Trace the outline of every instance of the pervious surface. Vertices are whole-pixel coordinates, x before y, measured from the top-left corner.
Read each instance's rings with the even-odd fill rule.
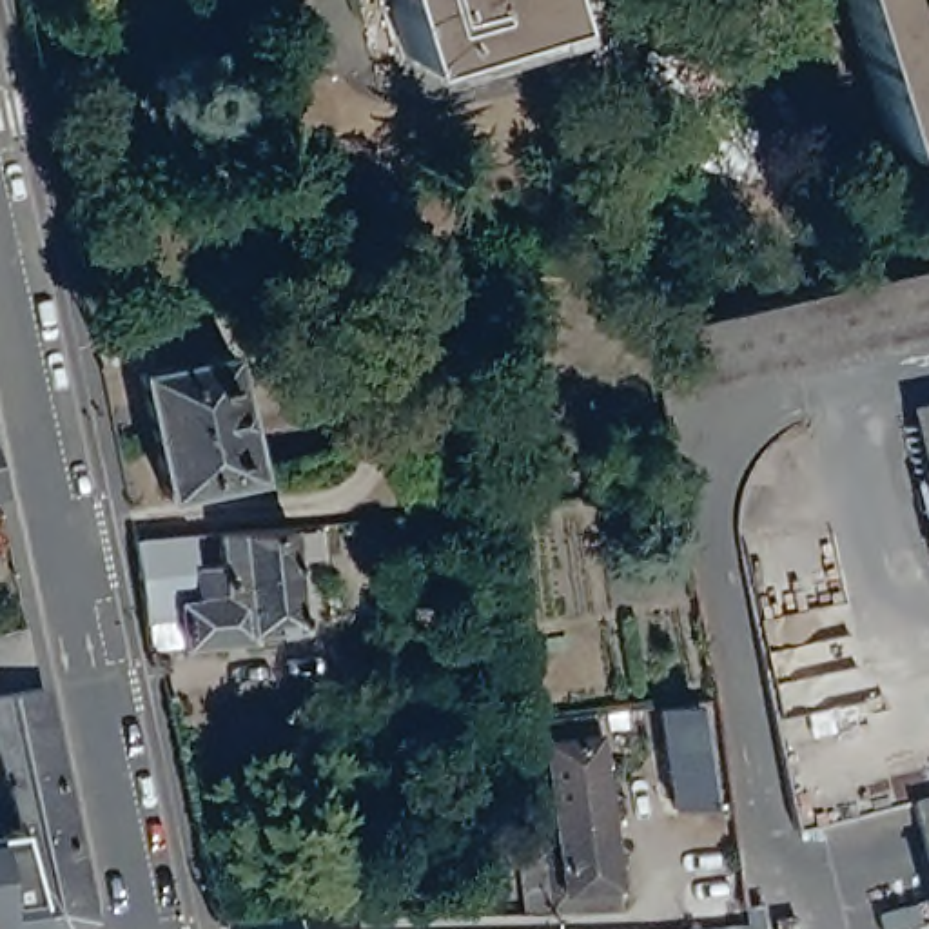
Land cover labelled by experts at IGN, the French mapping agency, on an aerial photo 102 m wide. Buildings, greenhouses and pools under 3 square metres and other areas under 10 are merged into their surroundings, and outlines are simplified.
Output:
[[[719,73],[700,73],[679,58],[664,62],[664,80],[671,91],[711,94],[726,83]]]
[[[820,465],[820,446],[827,439],[838,439],[842,432],[838,410],[817,410],[813,421],[795,417],[780,425],[769,439],[762,439],[748,457],[744,472],[737,475],[729,501],[729,541],[787,824],[798,831],[824,827],[827,835],[835,835],[838,820],[849,817],[849,806],[875,813],[896,802],[911,802],[929,802],[929,628],[904,628],[893,610],[875,606],[860,573],[860,559],[846,555],[849,515],[846,504],[827,504],[827,479]]]
[[[265,533],[276,541],[287,537],[283,530],[294,515],[330,515],[367,504],[374,486],[385,479],[374,465],[359,465],[345,483],[330,490],[283,497],[272,494],[210,504],[207,512],[200,512],[189,497],[171,497],[160,497],[156,504],[134,504],[134,523],[127,523],[123,533],[142,544],[163,537],[196,537],[200,562],[218,566],[225,559],[221,544],[232,533]]]
[[[762,174],[755,163],[758,138],[751,131],[740,134],[740,145],[719,142],[722,152],[708,156],[700,167],[715,174],[733,174],[737,181],[751,181]]]

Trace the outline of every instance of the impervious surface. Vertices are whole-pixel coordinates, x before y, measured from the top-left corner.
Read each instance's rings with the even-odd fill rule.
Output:
[[[327,22],[334,40],[327,73],[337,73],[356,94],[388,102],[388,73],[399,65],[396,54],[403,40],[385,0],[319,0],[316,15]]]
[[[602,737],[617,751],[628,737],[624,729],[650,715],[650,711],[610,711],[602,726]]]
[[[54,134],[73,112],[73,102],[83,94],[80,54],[65,51],[47,36],[33,36],[25,22],[15,18],[11,0],[0,0],[0,454],[11,486],[11,504],[0,504],[0,697],[40,689],[40,679],[54,689],[69,755],[69,784],[76,791],[83,849],[91,860],[98,896],[98,929],[229,929],[214,918],[207,914],[207,904],[196,885],[189,820],[181,809],[178,773],[171,762],[167,722],[160,711],[160,679],[171,679],[174,689],[189,693],[189,719],[181,726],[203,726],[203,697],[214,686],[229,679],[236,689],[247,693],[261,682],[276,682],[276,660],[250,657],[247,646],[203,650],[196,639],[185,639],[181,650],[171,653],[156,650],[142,573],[142,544],[123,533],[127,523],[134,523],[134,504],[131,475],[120,457],[116,435],[105,428],[98,414],[83,417],[80,410],[80,403],[91,403],[102,388],[94,370],[105,359],[91,348],[87,305],[94,298],[109,298],[105,269],[91,265],[87,240],[73,229],[69,207],[76,203],[76,178],[62,167],[62,149],[54,145]]]
[[[305,533],[305,562],[316,562],[316,588],[308,588],[308,606],[298,610],[298,621],[287,628],[290,642],[316,639],[323,628],[352,621],[363,592],[367,577],[348,555],[352,530],[323,526],[316,533]]]
[[[468,120],[490,112],[497,98],[515,98],[526,116],[559,105],[573,80],[610,76],[624,65],[624,51],[631,44],[613,33],[613,22],[599,25],[599,51],[559,58],[508,80],[457,91]]]
[[[697,588],[700,595],[704,631],[715,635],[715,697],[708,697],[700,708],[708,729],[715,733],[711,758],[719,762],[722,777],[719,809],[682,813],[668,802],[675,795],[668,755],[657,758],[657,751],[642,762],[639,780],[628,795],[621,835],[631,885],[621,893],[621,911],[523,914],[523,878],[515,878],[512,914],[439,914],[439,929],[733,929],[748,925],[748,914],[755,911],[758,896],[773,904],[773,929],[929,929],[929,820],[911,824],[911,802],[896,802],[875,813],[849,806],[849,817],[838,820],[835,835],[827,835],[824,827],[798,831],[787,824],[729,541],[729,501],[737,475],[744,472],[748,457],[762,439],[769,439],[780,425],[795,417],[813,421],[817,410],[838,410],[842,432],[838,439],[827,439],[820,446],[820,465],[827,479],[827,504],[846,504],[849,515],[846,555],[860,559],[860,573],[875,606],[893,610],[904,628],[929,628],[929,544],[911,508],[907,454],[914,454],[911,425],[918,421],[922,406],[929,406],[929,348],[922,341],[893,345],[878,352],[856,352],[842,363],[831,356],[831,348],[813,348],[802,370],[748,374],[729,385],[719,385],[715,392],[697,396],[693,403],[675,406],[668,417],[675,425],[679,454],[686,454],[697,468],[708,472],[708,486],[689,537],[704,548],[708,584]]]

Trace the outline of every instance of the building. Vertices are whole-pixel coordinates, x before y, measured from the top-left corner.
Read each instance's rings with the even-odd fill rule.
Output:
[[[860,0],[853,7],[853,22],[860,33],[860,47],[871,54],[867,73],[878,83],[878,94],[896,112],[896,123],[885,131],[904,127],[914,156],[929,156],[929,0]]]
[[[929,820],[929,802],[911,802],[911,824]]]
[[[399,65],[414,73],[425,91],[457,91],[508,80],[559,58],[599,51],[599,25],[599,0],[385,0],[403,40],[396,54]]]
[[[11,486],[0,454],[0,504],[11,504]]]
[[[345,327],[399,341],[410,312],[425,323],[439,312],[443,290],[435,276],[417,276],[406,261],[388,269],[374,301],[352,305],[345,312]]]
[[[729,385],[748,374],[802,370],[813,348],[831,348],[831,356],[842,363],[856,352],[878,352],[893,345],[922,341],[929,348],[929,276],[911,276],[882,287],[853,287],[846,294],[835,294],[715,323],[704,345],[722,367],[719,385]]]
[[[98,929],[98,896],[91,860],[83,849],[76,791],[69,784],[69,755],[54,689],[40,679],[40,689],[0,697],[0,777],[15,777],[15,806],[22,817],[22,831],[15,838],[0,838],[0,929]]]
[[[276,417],[279,403],[261,385],[261,356],[243,352],[232,359],[221,345],[218,352],[210,352],[203,367],[167,370],[149,381],[160,446],[171,475],[171,497],[189,497],[200,512],[207,512],[210,504],[272,494],[269,468],[276,465],[269,435],[283,432]]]
[[[733,929],[773,929],[773,904],[758,896],[755,911],[748,914],[748,925]]]
[[[621,835],[628,795],[617,784],[624,755],[617,751],[602,737],[602,726],[559,722],[559,758],[552,766],[552,784],[566,798],[562,842],[555,842],[548,864],[533,860],[530,878],[523,878],[523,914],[621,911],[621,893],[631,885]]]
[[[700,708],[664,711],[668,755],[675,795],[668,802],[682,813],[719,809],[722,777],[719,762],[711,758],[715,733],[708,729]]]
[[[171,653],[181,650],[185,639],[196,639],[203,650],[247,646],[250,657],[276,660],[279,646],[290,642],[287,628],[298,621],[298,610],[308,606],[308,588],[316,588],[316,562],[305,562],[305,533],[287,537],[276,541],[265,533],[232,533],[221,544],[225,559],[218,566],[200,562],[196,537],[163,537],[142,544],[142,573],[156,650]]]
[[[914,454],[907,454],[911,508],[929,544],[929,406],[922,406],[918,421],[911,425]]]

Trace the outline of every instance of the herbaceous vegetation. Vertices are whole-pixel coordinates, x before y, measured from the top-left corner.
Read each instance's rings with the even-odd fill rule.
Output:
[[[668,98],[671,91],[664,80],[664,62],[650,62],[650,44],[631,44],[624,51],[624,65],[610,76],[646,87],[650,98]]]
[[[345,196],[359,221],[356,240],[388,269],[406,261],[417,258],[417,236],[425,236],[428,229],[446,236],[457,229],[454,210],[443,200],[432,200],[417,210],[414,181],[425,167],[435,167],[454,181],[472,185],[472,152],[486,142],[486,171],[497,181],[519,178],[515,160],[526,156],[526,149],[537,145],[544,156],[552,156],[559,149],[559,105],[526,116],[515,98],[497,98],[490,112],[468,120],[457,91],[425,91],[414,73],[399,65],[388,73],[388,102],[356,94],[337,73],[327,73],[312,83],[312,105],[305,109],[301,123],[312,131],[334,127],[337,149],[352,152]]]
[[[116,54],[120,83],[138,94],[127,149],[134,178],[167,174],[167,192],[174,200],[189,189],[214,189],[221,203],[236,203],[247,192],[250,156],[276,123],[258,120],[247,127],[243,138],[207,138],[196,134],[185,120],[167,123],[171,102],[210,105],[221,87],[236,87],[232,54],[250,44],[250,33],[258,25],[269,22],[276,0],[112,0],[123,22],[123,51]]]
[[[570,236],[577,221],[592,214],[588,207],[552,189],[526,192],[519,207],[497,200],[497,210],[504,225],[541,232],[544,243]]]
[[[367,577],[377,573],[377,566],[392,555],[428,552],[443,537],[468,530],[468,519],[443,515],[435,508],[388,508],[396,501],[396,490],[385,479],[374,486],[367,504],[330,515],[294,515],[283,530],[287,537],[305,533],[316,533],[323,526],[352,530],[348,555]]]
[[[664,425],[668,417],[675,406],[693,403],[682,396],[653,392],[642,381],[653,370],[642,348],[628,345],[624,337],[602,334],[588,312],[588,301],[573,294],[566,276],[544,276],[544,287],[559,305],[555,352],[544,352],[544,363],[562,367],[562,421],[577,435],[577,450],[588,457],[602,457],[617,428],[650,428]]]
[[[283,432],[269,435],[276,465],[312,457],[334,446],[334,435],[319,428]]]
[[[385,827],[392,827],[406,809],[403,787],[410,758],[428,744],[454,748],[454,740],[465,733],[465,722],[454,711],[410,704],[388,722],[388,729],[374,737],[377,762],[388,766],[388,784],[370,787],[367,780],[356,780],[345,791],[345,809],[359,809],[363,820],[381,820]]]
[[[515,298],[515,283],[501,272],[468,301],[465,323],[443,334],[443,363],[454,370],[454,377],[475,374],[490,367],[497,356],[512,352],[526,327],[526,308]]]
[[[301,250],[294,250],[279,229],[247,232],[236,247],[189,250],[185,240],[167,225],[160,232],[160,276],[174,283],[185,272],[189,287],[196,287],[214,308],[221,308],[225,319],[218,319],[218,327],[203,323],[189,337],[163,345],[145,359],[105,359],[94,370],[102,388],[91,403],[80,403],[80,410],[83,417],[98,414],[105,428],[116,435],[120,457],[131,475],[134,504],[156,504],[160,497],[171,497],[171,475],[160,446],[149,381],[167,370],[203,367],[210,352],[218,352],[221,345],[232,359],[243,352],[261,356],[261,337],[279,337],[290,323],[290,312],[269,298],[269,279],[308,279]]]
[[[22,831],[22,817],[15,806],[15,777],[0,777],[0,838],[15,838]]]
[[[704,548],[689,537],[686,544],[671,548],[668,559],[646,562],[639,584],[613,581],[602,570],[606,606],[617,613],[621,606],[631,606],[631,613],[650,624],[650,650],[657,653],[668,653],[671,642],[686,646],[686,668],[675,668],[664,682],[650,686],[650,711],[650,715],[657,751],[657,758],[668,755],[664,711],[700,708],[708,697],[697,693],[700,657],[697,642],[689,639],[689,599],[700,595],[697,588],[708,584]]]
[[[885,145],[893,160],[907,167],[907,192],[929,203],[929,156],[914,156],[904,127],[885,131],[896,123],[896,112],[878,94],[878,83],[867,73],[871,54],[860,47],[860,33],[853,22],[853,7],[860,0],[835,0],[842,58],[835,65],[806,62],[777,80],[766,80],[762,87],[751,87],[744,102],[751,131],[758,138],[780,131],[798,134],[809,127],[827,127],[835,142],[856,152]]]
[[[323,806],[334,777],[319,773],[319,755],[327,744],[312,726],[301,726],[298,708],[305,708],[316,686],[367,686],[370,671],[388,664],[385,646],[367,642],[377,599],[363,592],[352,621],[323,628],[316,639],[290,642],[279,646],[276,660],[276,682],[261,682],[247,693],[236,689],[229,679],[214,686],[203,697],[203,726],[181,726],[189,719],[189,693],[174,689],[171,679],[160,679],[160,711],[167,722],[171,762],[178,773],[181,809],[189,820],[196,885],[207,904],[207,914],[214,918],[221,904],[214,896],[214,882],[225,867],[240,864],[240,853],[229,849],[221,856],[207,856],[200,842],[218,831],[232,831],[240,820],[254,820],[258,827],[294,824],[294,809],[269,813],[265,798],[250,795],[250,762],[294,755],[290,769],[276,769],[269,777],[269,787],[283,787],[287,798],[305,795],[301,827],[327,831]]]
[[[795,258],[802,261],[802,283],[795,290],[722,290],[711,308],[715,323],[835,294],[835,283],[820,272],[820,261],[842,272],[856,272],[867,254],[864,229],[853,225],[853,218],[817,181],[809,181],[809,196],[798,200],[791,214],[784,214],[766,192],[762,174],[751,181],[737,181],[733,174],[715,174],[708,185],[708,200],[722,236],[737,236],[740,229],[748,229],[755,210],[773,225],[780,240],[795,243]]]

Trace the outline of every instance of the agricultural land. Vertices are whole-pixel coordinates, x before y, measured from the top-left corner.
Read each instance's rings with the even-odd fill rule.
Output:
[[[602,693],[606,668],[599,650],[599,621],[613,621],[617,613],[606,606],[602,570],[602,562],[588,552],[584,537],[584,530],[595,526],[595,512],[588,504],[559,504],[548,526],[530,533],[530,570],[537,595],[533,617],[548,642],[544,689],[552,700],[559,700]]]

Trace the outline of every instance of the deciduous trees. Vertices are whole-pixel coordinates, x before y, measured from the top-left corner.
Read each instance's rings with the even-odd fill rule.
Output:
[[[189,189],[174,200],[167,192],[167,174],[134,178],[127,149],[138,94],[120,83],[116,54],[123,51],[123,22],[112,0],[11,0],[15,18],[25,22],[33,36],[47,36],[65,51],[80,54],[83,94],[73,102],[73,112],[54,134],[54,145],[62,149],[62,167],[76,178],[76,203],[69,207],[73,229],[87,240],[91,265],[105,269],[109,298],[94,298],[87,305],[91,348],[105,359],[145,359],[163,345],[189,337],[203,323],[218,327],[218,319],[225,319],[221,308],[214,308],[196,287],[189,287],[185,272],[174,283],[160,276],[160,232],[167,225],[185,240],[189,250],[236,247],[247,232],[279,229],[294,250],[301,250],[308,279],[269,279],[269,298],[290,312],[290,323],[279,337],[261,337],[261,356],[261,385],[279,403],[276,417],[283,432],[319,428],[334,435],[334,446],[312,457],[276,465],[269,468],[272,494],[283,497],[330,490],[345,483],[359,465],[374,465],[385,479],[396,490],[396,501],[388,508],[435,508],[443,515],[468,519],[468,530],[443,537],[428,552],[392,555],[377,566],[377,573],[367,577],[363,592],[377,599],[367,642],[385,646],[388,664],[370,671],[367,686],[316,686],[305,708],[298,708],[301,726],[312,726],[327,744],[319,755],[319,773],[334,777],[323,806],[327,831],[301,827],[305,795],[287,798],[283,787],[269,787],[269,777],[276,769],[290,769],[294,755],[250,762],[250,795],[265,798],[269,813],[294,809],[294,824],[258,827],[254,820],[240,820],[232,831],[218,831],[200,842],[207,856],[221,856],[229,849],[240,853],[240,864],[225,867],[214,882],[214,896],[221,904],[214,918],[229,929],[439,929],[439,914],[512,914],[515,878],[523,878],[530,878],[533,860],[548,864],[555,842],[562,842],[566,798],[552,784],[552,766],[559,758],[559,722],[559,700],[552,700],[544,689],[548,642],[533,617],[537,595],[530,570],[530,533],[548,526],[559,504],[588,504],[595,512],[595,526],[584,530],[584,537],[588,552],[602,562],[602,570],[613,581],[639,584],[646,562],[668,559],[671,548],[686,544],[689,537],[708,486],[708,472],[697,468],[686,454],[679,454],[675,425],[668,417],[664,425],[650,428],[617,428],[602,457],[588,457],[577,450],[577,435],[562,421],[562,367],[544,363],[544,352],[555,352],[559,305],[544,287],[544,276],[566,276],[573,294],[588,301],[588,312],[602,334],[624,337],[628,345],[642,348],[653,370],[642,381],[653,392],[682,396],[693,403],[697,396],[715,392],[719,385],[722,367],[704,345],[715,323],[711,308],[722,290],[795,290],[802,283],[802,261],[795,258],[795,243],[780,240],[773,225],[755,210],[748,229],[740,229],[737,236],[722,236],[708,200],[708,185],[715,174],[700,167],[708,156],[722,152],[719,142],[740,145],[740,134],[751,131],[744,102],[751,87],[762,87],[766,80],[777,80],[806,62],[835,65],[842,58],[835,0],[599,0],[599,25],[613,22],[613,33],[631,44],[650,44],[650,62],[664,62],[679,58],[700,73],[719,73],[726,83],[711,94],[671,91],[668,98],[650,98],[646,87],[610,76],[573,80],[559,105],[559,149],[552,156],[544,156],[537,145],[526,149],[526,156],[515,160],[519,178],[526,192],[552,189],[588,207],[592,214],[577,221],[570,236],[544,243],[541,232],[504,225],[497,210],[475,214],[472,225],[457,229],[446,236],[428,229],[425,236],[417,236],[417,258],[406,261],[417,276],[435,276],[443,290],[439,312],[425,323],[410,312],[399,341],[345,327],[345,312],[352,305],[374,301],[388,269],[356,240],[359,221],[345,196],[352,152],[337,149],[334,127],[312,131],[301,123],[305,109],[312,105],[312,83],[327,73],[334,40],[327,22],[316,15],[319,0],[276,0],[269,22],[258,25],[250,33],[250,44],[232,54],[236,87],[258,98],[258,120],[276,123],[250,156],[247,192],[236,203],[221,203],[214,189]],[[454,377],[454,370],[443,363],[443,334],[465,323],[468,301],[501,272],[515,283],[515,298],[526,308],[526,327],[512,352],[497,356],[490,367],[475,374]],[[428,744],[410,758],[403,787],[406,809],[392,827],[385,827],[381,820],[363,820],[359,809],[345,809],[345,791],[356,780],[367,780],[370,787],[388,784],[388,766],[377,762],[374,737],[388,729],[388,722],[410,704],[454,711],[465,722],[465,733],[454,740],[454,748]]]
[[[929,203],[907,192],[907,167],[893,160],[885,145],[856,152],[835,142],[827,127],[809,127],[798,134],[780,131],[758,138],[755,163],[762,174],[766,192],[784,214],[791,214],[798,200],[809,196],[809,181],[817,181],[853,218],[853,225],[864,229],[867,254],[856,272],[842,272],[820,261],[820,272],[835,283],[835,294],[846,294],[853,287],[882,287],[911,276],[929,276]]]

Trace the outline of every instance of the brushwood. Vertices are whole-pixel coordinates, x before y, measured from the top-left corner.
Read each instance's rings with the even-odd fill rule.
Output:
[[[624,729],[628,737],[617,751],[624,755],[617,784],[628,795],[639,780],[642,762],[657,751],[650,715]]]
[[[657,653],[650,650],[650,624],[631,613],[631,606],[621,606],[617,613],[613,621],[599,621],[599,650],[606,668],[602,693],[559,700],[559,722],[602,726],[610,711],[650,711],[650,686],[664,682],[675,668],[686,668],[686,646],[671,642],[668,653]]]
[[[708,697],[715,697],[715,635],[704,631],[700,595],[689,599],[689,639],[697,642],[700,657],[697,693]]]

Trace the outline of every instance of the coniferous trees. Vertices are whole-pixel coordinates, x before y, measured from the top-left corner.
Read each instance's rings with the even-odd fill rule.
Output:
[[[258,98],[236,87],[221,87],[210,105],[171,102],[167,123],[185,120],[196,134],[207,138],[243,138],[247,127],[258,120]]]
[[[417,210],[432,200],[443,200],[454,210],[457,229],[472,225],[475,214],[497,210],[497,200],[519,207],[526,192],[519,178],[497,181],[486,171],[486,142],[472,152],[472,185],[454,181],[435,167],[425,167],[414,181]]]

